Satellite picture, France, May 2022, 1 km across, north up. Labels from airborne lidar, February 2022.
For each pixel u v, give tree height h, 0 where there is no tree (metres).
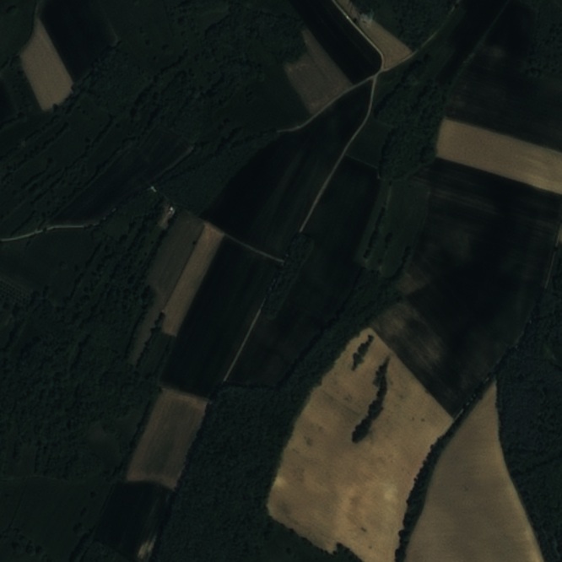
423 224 0
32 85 0
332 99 0
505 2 0
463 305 0
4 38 0
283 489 0
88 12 0
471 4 0
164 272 0
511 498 0
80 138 0
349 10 0
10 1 0
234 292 0
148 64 0
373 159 0
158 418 0
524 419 20
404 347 0
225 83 8
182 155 0
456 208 0
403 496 0
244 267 0
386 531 0
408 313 0
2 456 13
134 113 13
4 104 0
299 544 0
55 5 0
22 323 14
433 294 0
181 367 0
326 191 0
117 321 7
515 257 0
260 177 0
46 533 0
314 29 0
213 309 0
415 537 0
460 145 0
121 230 0
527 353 19
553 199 0
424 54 0
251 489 21
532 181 0
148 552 0
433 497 0
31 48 0
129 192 0
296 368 13
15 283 0
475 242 0
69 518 0
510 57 0
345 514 0
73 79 0
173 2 0
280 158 0
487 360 0
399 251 0
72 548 0
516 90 0
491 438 0
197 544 19
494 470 0
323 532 0
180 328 0
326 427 0
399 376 0
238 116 0
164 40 0
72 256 0
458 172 0
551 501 14
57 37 0
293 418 15
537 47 7
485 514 0
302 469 0
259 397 19
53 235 0
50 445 9
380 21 0
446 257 0
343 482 0
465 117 0
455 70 0
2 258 0
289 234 0
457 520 0
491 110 0
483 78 0
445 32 0
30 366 20
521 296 0
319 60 0
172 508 15
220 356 0
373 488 0
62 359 18
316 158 0
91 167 0
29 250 0
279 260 0
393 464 0
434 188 0
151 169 0
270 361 0
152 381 8
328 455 0
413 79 18
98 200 0
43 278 0
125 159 0
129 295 13
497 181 0
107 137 0
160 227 0
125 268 10
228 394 20
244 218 0
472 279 0
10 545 0
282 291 12
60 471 9
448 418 0
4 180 6
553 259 0
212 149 0
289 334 0
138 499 0
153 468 0
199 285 0
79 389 11
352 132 0
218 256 0
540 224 0
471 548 0
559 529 6
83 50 0
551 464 14
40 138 0
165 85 0
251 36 8
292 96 0
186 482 19
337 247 0
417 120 11
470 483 0
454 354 0
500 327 0
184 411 0
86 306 0
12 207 0
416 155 7
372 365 0
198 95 8
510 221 0
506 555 0
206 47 8
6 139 0
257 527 16
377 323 0
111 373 8
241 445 20
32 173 0
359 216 0
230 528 17
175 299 0
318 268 0
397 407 0
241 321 0
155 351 0
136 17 0
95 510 0
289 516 0
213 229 0
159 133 0
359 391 0
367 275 11
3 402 14
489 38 0
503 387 14
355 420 0
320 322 0
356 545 0
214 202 0
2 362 7
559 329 20
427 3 15
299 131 0
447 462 0
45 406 9
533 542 0
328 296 0
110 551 7
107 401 8
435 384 0
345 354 0
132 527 0
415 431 0
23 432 7
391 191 0
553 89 0
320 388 0
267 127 0
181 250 0
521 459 15
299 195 0
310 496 0
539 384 17
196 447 16
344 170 0
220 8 14
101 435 0
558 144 0
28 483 0
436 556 0
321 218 0
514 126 0
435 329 0
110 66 17
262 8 0
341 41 0
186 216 0
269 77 0
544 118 0
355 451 0
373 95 0
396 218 0
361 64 0
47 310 23
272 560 0
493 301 0
